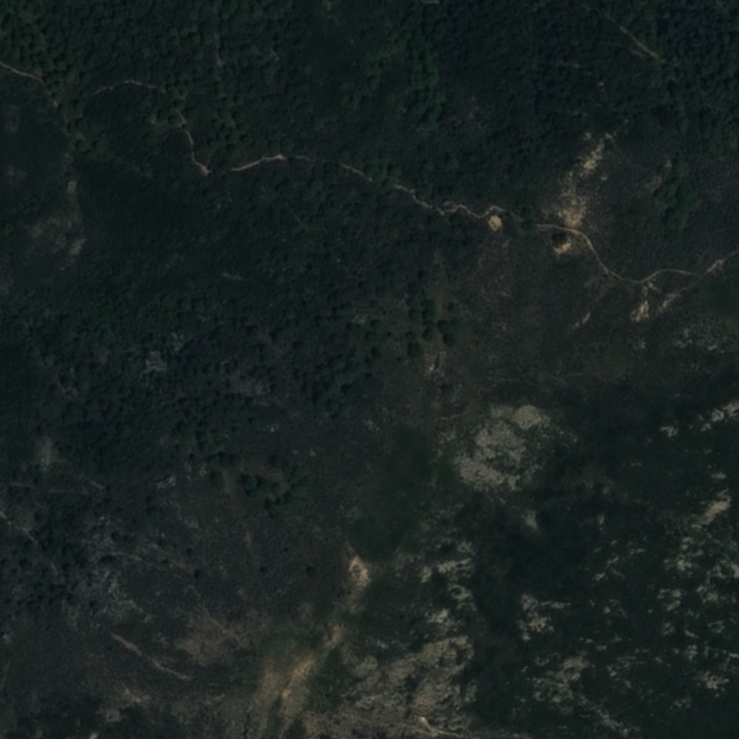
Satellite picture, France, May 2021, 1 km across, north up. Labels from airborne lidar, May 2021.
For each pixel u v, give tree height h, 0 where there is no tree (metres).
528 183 10
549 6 8
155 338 11
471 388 0
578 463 8
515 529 8
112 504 10
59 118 7
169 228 7
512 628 7
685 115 13
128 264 10
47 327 12
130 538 6
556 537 6
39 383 8
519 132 19
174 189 12
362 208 14
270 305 11
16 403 6
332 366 15
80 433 6
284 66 6
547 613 7
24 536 7
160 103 9
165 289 9
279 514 15
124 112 14
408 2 7
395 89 10
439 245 10
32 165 6
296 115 6
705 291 0
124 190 11
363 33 8
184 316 12
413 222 10
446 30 7
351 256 10
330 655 0
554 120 12
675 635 6
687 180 10
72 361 7
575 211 0
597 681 6
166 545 10
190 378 6
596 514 7
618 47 8
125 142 7
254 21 6
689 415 7
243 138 12
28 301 12
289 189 18
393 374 0
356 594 0
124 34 9
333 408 15
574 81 8
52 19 8
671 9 5
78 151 6
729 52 18
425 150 15
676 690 8
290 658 0
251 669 0
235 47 14
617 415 6
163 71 15
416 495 0
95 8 15
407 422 0
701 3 23
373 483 0
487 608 7
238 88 6
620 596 6
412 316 12
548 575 6
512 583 5
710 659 7
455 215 10
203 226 9
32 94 6
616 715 6
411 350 14
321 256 6
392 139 6
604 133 7
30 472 6
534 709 6
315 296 6
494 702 7
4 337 6
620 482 6
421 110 19
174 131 7
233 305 8
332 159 7
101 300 11
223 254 9
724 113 8
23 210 12
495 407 0
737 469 6
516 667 8
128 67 11
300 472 19
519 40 13
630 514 7
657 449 6
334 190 13
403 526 0
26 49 13
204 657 0
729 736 6
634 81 8
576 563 7
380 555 0
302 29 13
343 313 8
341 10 5
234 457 15
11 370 7
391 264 12
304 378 16
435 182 8
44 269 6
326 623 0
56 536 13
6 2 18
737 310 0
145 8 7
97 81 7
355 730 7
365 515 0
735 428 5
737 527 8
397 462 0
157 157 8
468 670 7
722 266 0
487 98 6
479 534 7
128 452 7
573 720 6
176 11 10
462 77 8
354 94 17
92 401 12
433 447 0
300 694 0
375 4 9
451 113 7
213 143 17
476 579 8
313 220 17
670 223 22
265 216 6
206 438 23
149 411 10
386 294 12
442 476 0
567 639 7
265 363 10
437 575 7
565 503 7
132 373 6
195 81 16
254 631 0
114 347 13
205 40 16
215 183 5
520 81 8
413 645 6
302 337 7
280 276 12
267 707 0
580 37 13
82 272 6
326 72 6
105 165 9
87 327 8
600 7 7
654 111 10
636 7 15
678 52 13
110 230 7
